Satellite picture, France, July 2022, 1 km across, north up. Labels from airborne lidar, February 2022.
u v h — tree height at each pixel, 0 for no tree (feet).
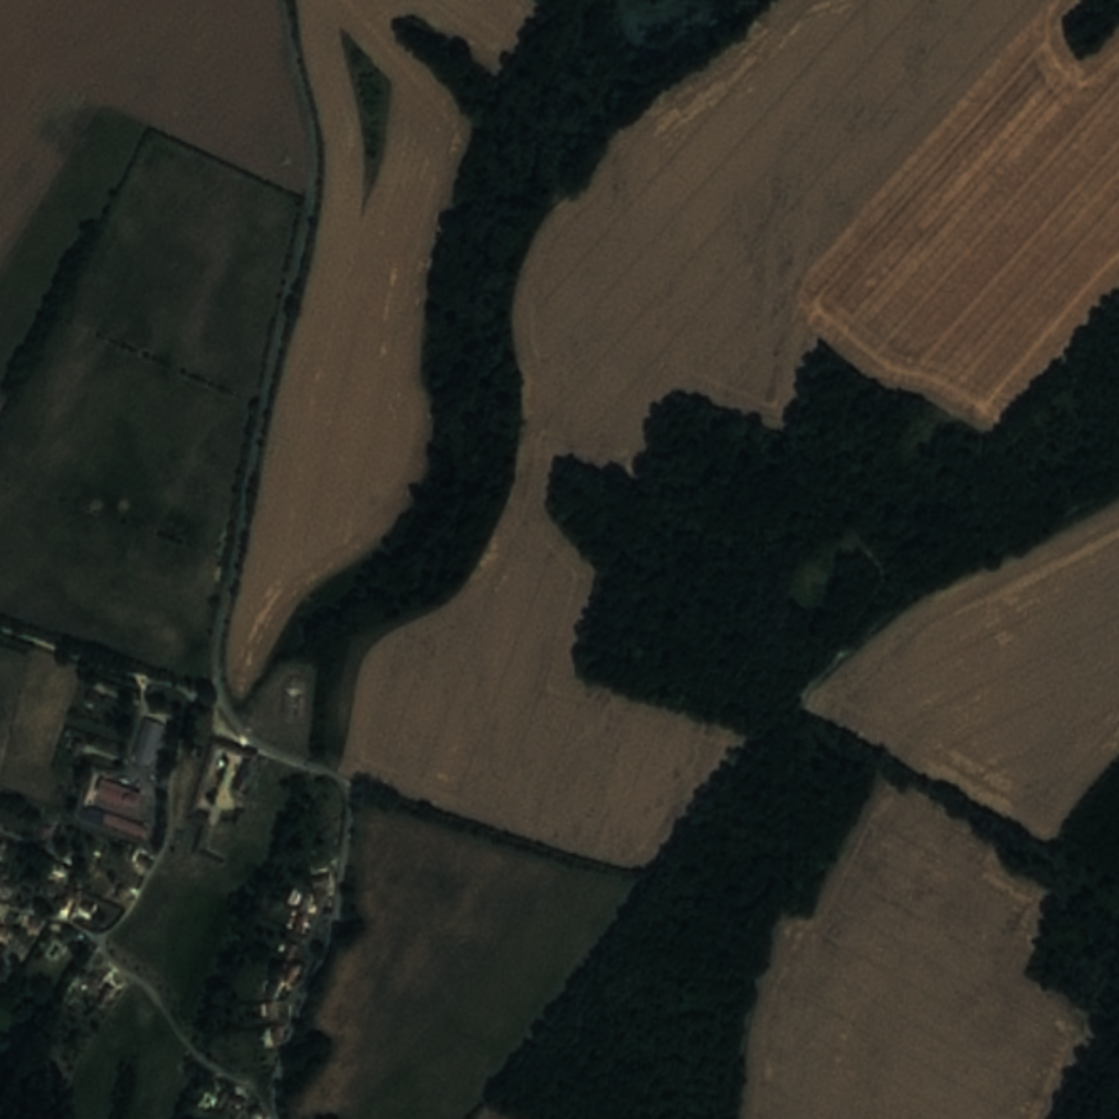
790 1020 0
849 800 55
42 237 0
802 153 0
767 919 62
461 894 0
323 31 0
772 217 0
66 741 0
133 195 0
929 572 53
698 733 0
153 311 0
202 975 0
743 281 0
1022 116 0
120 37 0
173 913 0
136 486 0
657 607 75
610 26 100
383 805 51
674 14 0
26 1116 102
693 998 46
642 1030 54
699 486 65
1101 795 19
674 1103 58
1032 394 26
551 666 0
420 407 0
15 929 20
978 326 0
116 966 0
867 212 0
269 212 0
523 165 73
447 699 0
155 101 0
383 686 0
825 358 53
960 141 0
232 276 0
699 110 0
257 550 0
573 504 61
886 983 0
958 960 0
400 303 0
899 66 0
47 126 0
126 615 0
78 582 0
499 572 0
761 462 72
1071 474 58
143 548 0
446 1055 0
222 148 0
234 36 0
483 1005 0
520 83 68
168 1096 0
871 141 0
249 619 0
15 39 0
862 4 0
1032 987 0
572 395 0
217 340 0
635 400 0
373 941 0
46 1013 75
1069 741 0
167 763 57
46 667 0
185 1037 0
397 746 0
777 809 42
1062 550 0
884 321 0
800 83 0
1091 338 57
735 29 45
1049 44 0
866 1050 0
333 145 0
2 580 0
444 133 0
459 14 0
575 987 40
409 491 0
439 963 0
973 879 0
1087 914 83
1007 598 0
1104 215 0
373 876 0
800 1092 0
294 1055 62
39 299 0
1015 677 0
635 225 0
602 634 68
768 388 0
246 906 72
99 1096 0
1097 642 0
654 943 59
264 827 0
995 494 63
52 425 0
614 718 0
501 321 58
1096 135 0
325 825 0
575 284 0
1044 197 0
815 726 34
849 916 0
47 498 0
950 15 0
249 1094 0
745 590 39
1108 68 0
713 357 0
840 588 54
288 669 0
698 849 60
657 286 0
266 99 0
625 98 72
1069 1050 0
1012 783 0
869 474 44
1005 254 0
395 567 43
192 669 0
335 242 0
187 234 0
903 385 0
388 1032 0
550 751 0
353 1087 0
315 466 0
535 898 0
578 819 0
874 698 0
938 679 0
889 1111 0
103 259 0
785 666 37
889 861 0
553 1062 58
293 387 0
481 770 0
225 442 0
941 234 0
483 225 78
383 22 0
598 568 52
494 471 63
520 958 0
